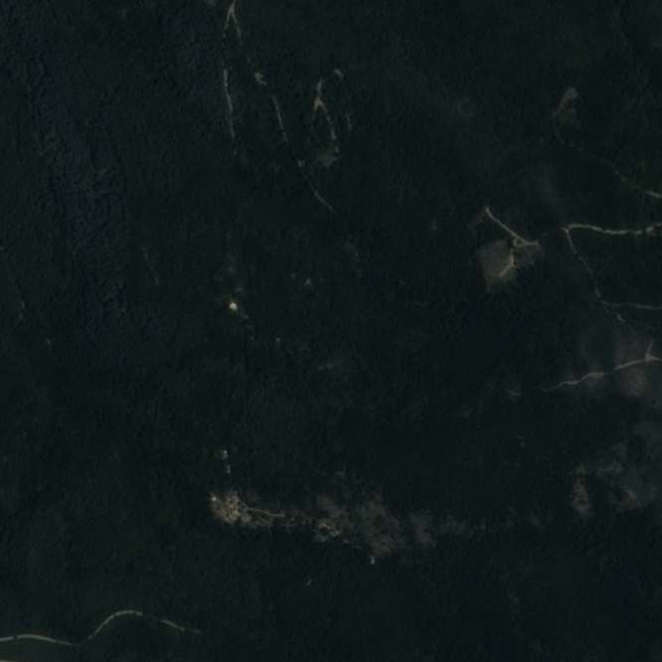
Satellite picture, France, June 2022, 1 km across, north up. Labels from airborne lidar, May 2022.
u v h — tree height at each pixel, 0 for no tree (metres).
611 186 7
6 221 18
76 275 9
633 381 0
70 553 10
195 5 16
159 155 14
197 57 10
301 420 15
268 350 12
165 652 6
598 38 13
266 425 12
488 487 11
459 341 16
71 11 15
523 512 10
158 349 27
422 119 8
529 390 10
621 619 16
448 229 10
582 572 12
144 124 9
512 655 14
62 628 10
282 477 9
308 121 9
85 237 15
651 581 10
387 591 13
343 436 11
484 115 11
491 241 10
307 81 7
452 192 8
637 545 12
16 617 6
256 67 9
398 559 11
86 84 21
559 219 10
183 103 13
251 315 12
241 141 10
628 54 12
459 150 10
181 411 17
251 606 14
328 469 7
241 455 8
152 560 13
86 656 6
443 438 9
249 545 20
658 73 18
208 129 13
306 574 14
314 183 12
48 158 10
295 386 15
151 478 15
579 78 15
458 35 12
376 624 11
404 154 9
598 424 8
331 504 0
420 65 11
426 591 8
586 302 7
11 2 19
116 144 22
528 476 9
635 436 8
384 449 13
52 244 9
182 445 13
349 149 12
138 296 12
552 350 8
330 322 11
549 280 14
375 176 9
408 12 13
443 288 15
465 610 10
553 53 15
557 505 9
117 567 10
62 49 5
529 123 13
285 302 10
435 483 12
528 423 9
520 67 17
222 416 9
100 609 6
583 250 9
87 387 12
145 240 6
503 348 14
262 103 6
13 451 9
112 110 19
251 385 10
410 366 12
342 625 10
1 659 0
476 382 9
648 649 15
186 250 12
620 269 7
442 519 7
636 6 11
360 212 10
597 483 7
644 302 6
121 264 12
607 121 15
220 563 17
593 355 0
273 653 14
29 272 23
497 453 8
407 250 12
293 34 7
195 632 7
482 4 16
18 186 18
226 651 13
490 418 9
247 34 7
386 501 7
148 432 18
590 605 9
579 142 7
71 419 12
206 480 10
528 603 7
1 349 13
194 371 11
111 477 8
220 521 6
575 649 7
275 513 6
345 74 7
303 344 12
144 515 10
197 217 7
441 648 17
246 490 9
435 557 9
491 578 10
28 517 19
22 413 13
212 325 9
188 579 15
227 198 10
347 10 11
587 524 9
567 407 9
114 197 24
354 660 10
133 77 19
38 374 18
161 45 10
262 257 13
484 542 9
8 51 17
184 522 25
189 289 13
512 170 10
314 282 7
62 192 18
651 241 7
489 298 20
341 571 11
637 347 0
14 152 21
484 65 17
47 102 12
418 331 15
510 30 16
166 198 8
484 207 10
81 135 12
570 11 17
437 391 9
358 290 12
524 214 7
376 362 13
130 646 8
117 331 21
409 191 9
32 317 19
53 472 19
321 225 7
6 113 26
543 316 14
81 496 9
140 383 17
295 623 15
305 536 12
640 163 15
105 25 7
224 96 9
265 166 7
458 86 8
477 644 6
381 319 9
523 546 11
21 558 15
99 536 12
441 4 17
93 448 15
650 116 16
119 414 17
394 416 11
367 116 14
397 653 8
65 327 24
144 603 7
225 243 9
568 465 8
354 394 8
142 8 9
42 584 11
